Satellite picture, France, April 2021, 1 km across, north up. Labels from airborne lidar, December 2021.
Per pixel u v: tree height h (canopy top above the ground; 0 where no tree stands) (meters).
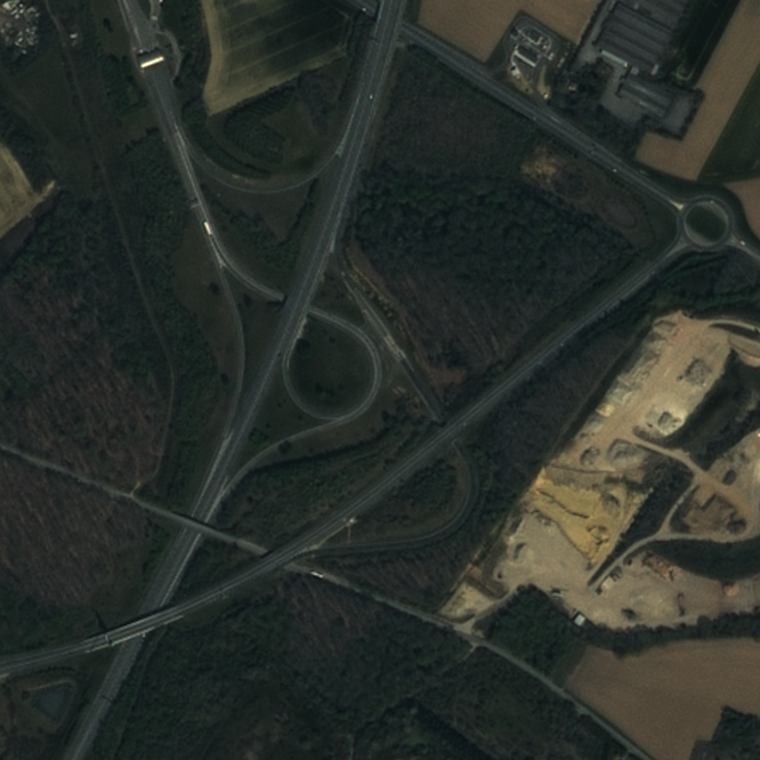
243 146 6
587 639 13
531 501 0
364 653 26
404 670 28
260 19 0
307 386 0
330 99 15
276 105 10
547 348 0
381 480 0
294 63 0
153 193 9
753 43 0
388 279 28
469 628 0
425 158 10
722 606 0
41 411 24
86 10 10
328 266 0
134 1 0
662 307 0
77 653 0
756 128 0
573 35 0
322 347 0
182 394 10
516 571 0
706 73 0
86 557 21
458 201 26
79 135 0
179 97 0
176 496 13
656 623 0
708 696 0
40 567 18
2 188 0
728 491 0
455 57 0
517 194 9
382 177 11
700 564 9
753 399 0
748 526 0
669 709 0
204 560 13
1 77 0
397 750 11
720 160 0
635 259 9
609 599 0
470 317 28
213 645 12
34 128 0
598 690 0
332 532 0
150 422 21
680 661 0
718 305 9
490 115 12
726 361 0
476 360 26
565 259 28
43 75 0
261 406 0
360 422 0
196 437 7
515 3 0
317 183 6
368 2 0
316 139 0
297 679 12
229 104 0
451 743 10
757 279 18
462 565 25
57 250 13
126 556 0
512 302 29
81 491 23
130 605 0
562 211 8
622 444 0
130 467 20
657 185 0
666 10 0
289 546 0
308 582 11
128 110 9
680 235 0
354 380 0
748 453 0
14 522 25
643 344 0
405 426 10
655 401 0
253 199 0
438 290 31
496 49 0
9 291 17
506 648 15
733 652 0
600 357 18
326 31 0
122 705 14
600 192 0
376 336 0
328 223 0
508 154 14
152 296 11
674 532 0
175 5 0
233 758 0
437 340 23
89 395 28
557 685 0
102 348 19
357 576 14
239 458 0
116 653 0
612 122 13
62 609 26
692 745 0
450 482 9
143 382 26
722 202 0
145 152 8
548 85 0
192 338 12
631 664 0
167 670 11
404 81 10
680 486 8
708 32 0
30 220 5
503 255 31
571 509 0
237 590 0
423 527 0
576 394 15
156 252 15
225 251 0
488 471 9
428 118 13
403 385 0
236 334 0
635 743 0
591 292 11
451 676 11
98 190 8
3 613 16
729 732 10
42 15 6
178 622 0
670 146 0
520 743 0
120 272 16
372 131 0
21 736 0
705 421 0
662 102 0
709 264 8
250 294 0
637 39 0
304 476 7
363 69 0
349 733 14
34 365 18
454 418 0
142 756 14
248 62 0
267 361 0
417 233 29
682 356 0
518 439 22
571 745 15
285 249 9
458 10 0
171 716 9
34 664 0
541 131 7
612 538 0
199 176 0
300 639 28
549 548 0
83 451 22
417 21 0
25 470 23
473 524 9
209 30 0
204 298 0
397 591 22
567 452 0
